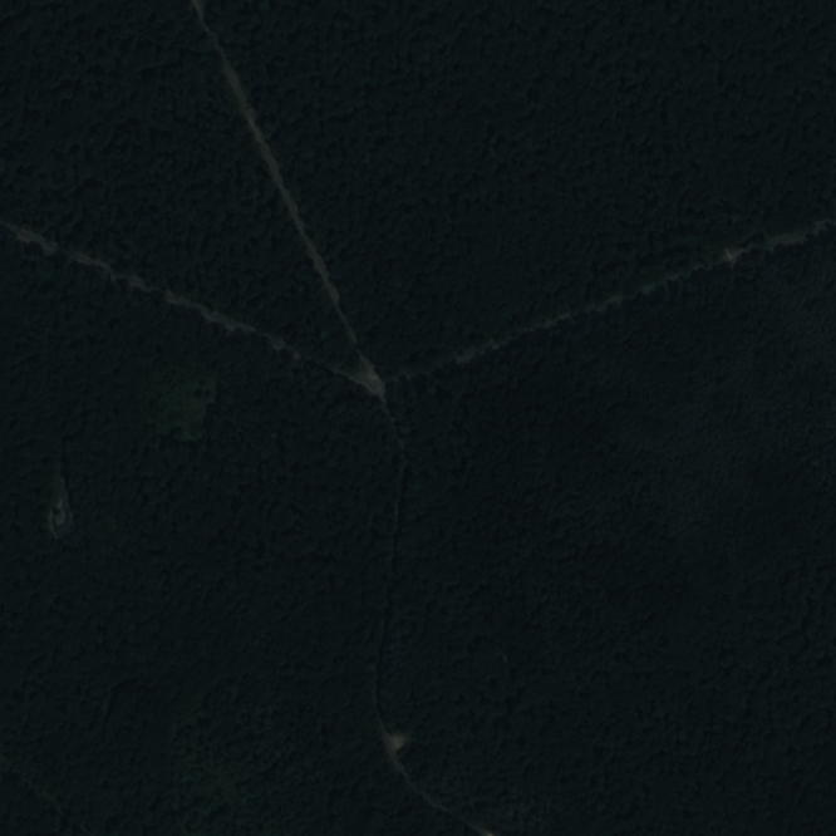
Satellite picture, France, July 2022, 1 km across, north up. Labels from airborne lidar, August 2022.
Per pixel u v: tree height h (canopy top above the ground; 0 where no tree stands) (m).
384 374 21
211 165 22
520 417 26
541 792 18
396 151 22
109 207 25
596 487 21
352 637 25
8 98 26
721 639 24
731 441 21
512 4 24
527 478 17
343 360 24
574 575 23
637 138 23
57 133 26
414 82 25
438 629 21
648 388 20
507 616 24
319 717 13
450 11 23
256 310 22
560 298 26
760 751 24
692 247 25
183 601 24
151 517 23
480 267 20
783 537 23
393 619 22
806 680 25
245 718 10
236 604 24
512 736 25
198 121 21
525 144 23
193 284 26
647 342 23
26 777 13
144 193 9
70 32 26
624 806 23
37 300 30
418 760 14
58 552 25
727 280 22
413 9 23
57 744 29
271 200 10
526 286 22
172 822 21
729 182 28
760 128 28
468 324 20
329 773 17
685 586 26
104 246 19
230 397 21
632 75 25
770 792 24
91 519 23
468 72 25
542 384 25
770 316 22
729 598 27
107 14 27
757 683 23
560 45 28
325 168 29
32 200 20
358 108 24
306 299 26
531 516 25
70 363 29
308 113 25
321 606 24
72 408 26
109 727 23
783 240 0
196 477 29
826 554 18
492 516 22
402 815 22
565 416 27
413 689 20
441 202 28
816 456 20
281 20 28
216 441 23
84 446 23
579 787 23
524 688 26
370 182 23
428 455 30
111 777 19
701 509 21
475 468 24
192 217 24
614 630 19
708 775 27
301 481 27
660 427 20
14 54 23
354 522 26
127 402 29
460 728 24
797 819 22
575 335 26
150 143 26
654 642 22
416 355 25
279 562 25
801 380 24
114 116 25
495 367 23
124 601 21
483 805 27
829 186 25
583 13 22
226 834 11
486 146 19
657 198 23
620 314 24
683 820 21
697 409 20
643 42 27
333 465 28
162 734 21
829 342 19
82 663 27
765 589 27
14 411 22
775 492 24
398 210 23
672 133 25
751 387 21
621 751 20
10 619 22
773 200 27
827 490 24
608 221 25
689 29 24
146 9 27
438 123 23
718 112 26
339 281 25
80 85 28
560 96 24
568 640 19
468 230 20
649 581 27
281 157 25
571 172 26
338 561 26
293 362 18
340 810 23
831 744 20
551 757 21
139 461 27
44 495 24
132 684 27
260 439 30
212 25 25
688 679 24
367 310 27
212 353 25
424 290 27
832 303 19
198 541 25
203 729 14
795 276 18
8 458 23
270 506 25
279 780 11
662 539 24
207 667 26
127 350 27
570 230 23
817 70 26
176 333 27
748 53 25
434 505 26
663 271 25
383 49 26
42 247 19
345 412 28
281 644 20
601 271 26
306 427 31
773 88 27
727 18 17
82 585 24
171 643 27
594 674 24
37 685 21
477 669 24
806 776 19
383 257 23
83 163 28
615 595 23
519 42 25
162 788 21
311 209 25
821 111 27
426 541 22
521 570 25
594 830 20
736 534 23
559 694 25
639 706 12
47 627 26
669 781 26
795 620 26
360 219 25
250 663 27
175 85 23
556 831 24
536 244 22
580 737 24
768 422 25
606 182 29
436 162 23
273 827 9
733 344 23
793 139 26
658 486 22
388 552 21
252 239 26
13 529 19
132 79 23
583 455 24
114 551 24
